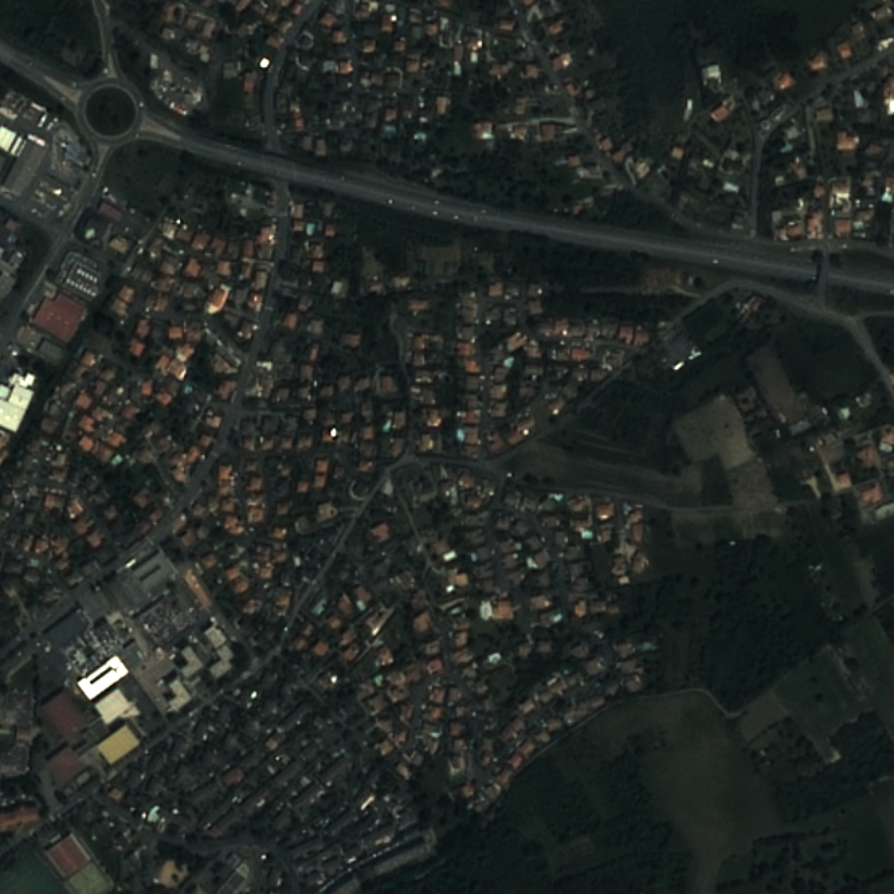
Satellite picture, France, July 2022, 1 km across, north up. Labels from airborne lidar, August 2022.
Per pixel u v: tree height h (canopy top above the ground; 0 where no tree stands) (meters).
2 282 0
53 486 0
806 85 0
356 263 9
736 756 0
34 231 0
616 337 9
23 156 0
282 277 14
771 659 8
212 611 0
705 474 0
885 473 7
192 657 0
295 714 0
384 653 0
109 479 16
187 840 10
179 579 0
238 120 0
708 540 0
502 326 8
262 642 0
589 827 7
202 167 7
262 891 6
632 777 10
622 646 0
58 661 0
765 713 0
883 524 0
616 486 0
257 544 7
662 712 0
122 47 9
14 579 5
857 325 0
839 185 0
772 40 6
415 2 6
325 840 6
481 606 0
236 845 0
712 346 8
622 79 6
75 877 0
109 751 0
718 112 0
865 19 9
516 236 11
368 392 9
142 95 0
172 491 0
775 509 0
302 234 7
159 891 8
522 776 6
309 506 7
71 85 0
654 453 0
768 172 8
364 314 9
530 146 7
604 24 6
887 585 7
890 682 0
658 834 8
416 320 0
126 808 6
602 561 0
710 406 0
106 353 0
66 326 0
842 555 0
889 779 0
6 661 6
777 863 6
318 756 7
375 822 0
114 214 0
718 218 0
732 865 0
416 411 9
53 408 0
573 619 9
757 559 13
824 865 17
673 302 8
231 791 7
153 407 11
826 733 0
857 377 0
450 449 10
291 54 10
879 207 7
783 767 0
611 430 0
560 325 0
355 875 7
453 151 7
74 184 0
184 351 0
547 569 6
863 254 0
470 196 8
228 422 0
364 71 6
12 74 12
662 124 0
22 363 9
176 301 0
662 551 0
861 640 0
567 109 0
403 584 0
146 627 0
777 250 0
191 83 0
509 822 10
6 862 10
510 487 8
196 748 8
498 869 6
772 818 0
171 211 8
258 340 0
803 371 0
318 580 0
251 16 13
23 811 0
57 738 0
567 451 8
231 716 10
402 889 13
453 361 7
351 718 10
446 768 0
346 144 0
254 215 0
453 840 19
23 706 0
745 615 7
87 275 0
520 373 7
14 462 6
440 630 0
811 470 0
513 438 0
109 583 8
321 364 12
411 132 9
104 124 0
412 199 0
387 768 9
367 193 0
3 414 0
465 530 6
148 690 0
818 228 0
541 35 7
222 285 0
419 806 10
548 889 6
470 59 0
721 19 8
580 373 0
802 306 0
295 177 0
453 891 16
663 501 0
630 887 6
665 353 0
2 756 0
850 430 0
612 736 0
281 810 7
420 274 7
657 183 0
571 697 0
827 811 10
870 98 10
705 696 0
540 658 10
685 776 0
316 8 0
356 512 0
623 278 9
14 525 0
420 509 0
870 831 0
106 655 0
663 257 0
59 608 0
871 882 7
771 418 8
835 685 0
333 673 6
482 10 8
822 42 7
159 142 0
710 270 0
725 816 0
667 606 9
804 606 6
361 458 8
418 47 9
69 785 0
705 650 7
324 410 11
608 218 7
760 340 8
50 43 6
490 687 8
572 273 11
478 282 8
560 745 6
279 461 7
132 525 5
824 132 8
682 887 7
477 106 14
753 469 0
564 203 9
